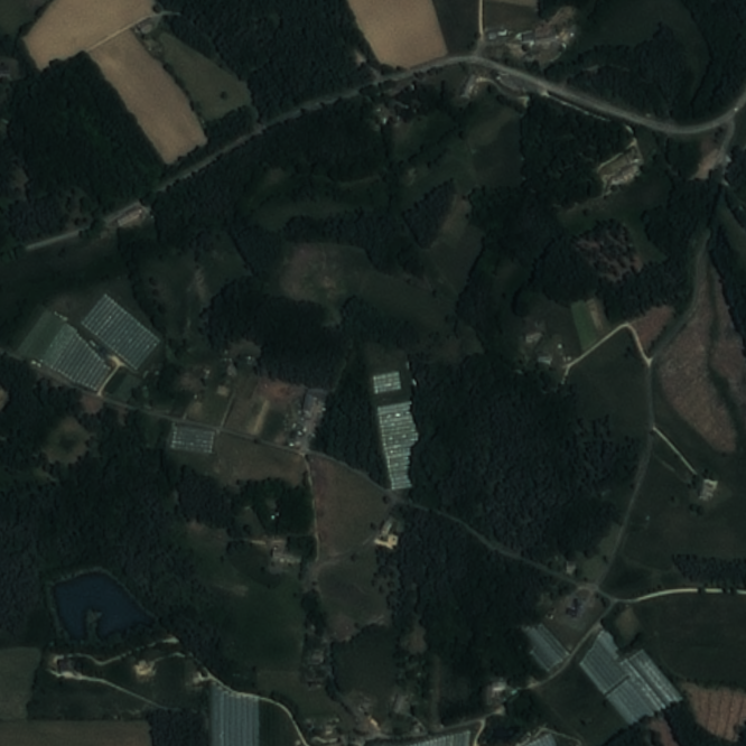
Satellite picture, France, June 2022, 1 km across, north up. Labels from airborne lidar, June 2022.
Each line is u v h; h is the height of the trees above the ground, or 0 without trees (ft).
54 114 66
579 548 66
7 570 52
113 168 65
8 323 38
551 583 51
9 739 0
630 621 0
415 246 29
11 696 0
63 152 79
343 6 50
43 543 56
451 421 33
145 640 39
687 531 0
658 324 0
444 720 37
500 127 0
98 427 37
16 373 90
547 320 0
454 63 0
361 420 56
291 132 73
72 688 0
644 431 0
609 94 25
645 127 25
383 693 0
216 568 0
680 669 0
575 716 0
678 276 58
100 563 36
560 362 0
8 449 51
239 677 0
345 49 51
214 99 0
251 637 0
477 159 0
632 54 91
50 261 0
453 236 0
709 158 0
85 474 52
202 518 67
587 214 49
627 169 0
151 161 83
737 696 0
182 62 0
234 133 59
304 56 64
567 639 0
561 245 102
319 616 29
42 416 83
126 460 39
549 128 52
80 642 24
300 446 0
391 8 0
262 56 56
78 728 0
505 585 54
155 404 20
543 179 67
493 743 26
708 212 41
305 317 62
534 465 26
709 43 38
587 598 0
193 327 0
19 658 0
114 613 0
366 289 0
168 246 44
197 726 47
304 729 32
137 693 0
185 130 0
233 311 69
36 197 47
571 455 44
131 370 0
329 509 0
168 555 36
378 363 0
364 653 0
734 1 96
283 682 0
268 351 44
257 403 0
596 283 70
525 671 17
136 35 0
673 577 0
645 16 0
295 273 0
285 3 77
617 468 68
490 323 67
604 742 0
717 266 64
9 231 29
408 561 52
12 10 0
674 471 0
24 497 28
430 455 77
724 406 0
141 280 23
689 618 0
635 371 0
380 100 58
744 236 0
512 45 0
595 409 0
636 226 0
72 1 0
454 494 49
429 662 29
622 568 0
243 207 83
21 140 61
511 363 66
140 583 42
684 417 0
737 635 0
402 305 0
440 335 29
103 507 45
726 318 0
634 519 0
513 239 70
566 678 0
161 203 66
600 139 52
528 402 59
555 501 58
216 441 0
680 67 70
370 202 0
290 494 40
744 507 0
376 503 0
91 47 0
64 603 0
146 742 0
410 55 0
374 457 68
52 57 0
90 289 0
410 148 0
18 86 44
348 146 70
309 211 0
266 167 61
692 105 38
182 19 53
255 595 0
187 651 31
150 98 0
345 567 0
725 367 0
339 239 53
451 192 50
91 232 49
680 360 0
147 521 59
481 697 44
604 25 0
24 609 52
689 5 54
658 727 0
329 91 62
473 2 0
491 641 42
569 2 84
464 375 56
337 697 38
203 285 0
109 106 74
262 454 0
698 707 0
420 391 57
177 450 0
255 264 73
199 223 64
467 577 52
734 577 65
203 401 0
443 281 0
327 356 52
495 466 58
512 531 43
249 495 42
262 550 0
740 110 0
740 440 0
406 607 46
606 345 0
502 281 0
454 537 45
